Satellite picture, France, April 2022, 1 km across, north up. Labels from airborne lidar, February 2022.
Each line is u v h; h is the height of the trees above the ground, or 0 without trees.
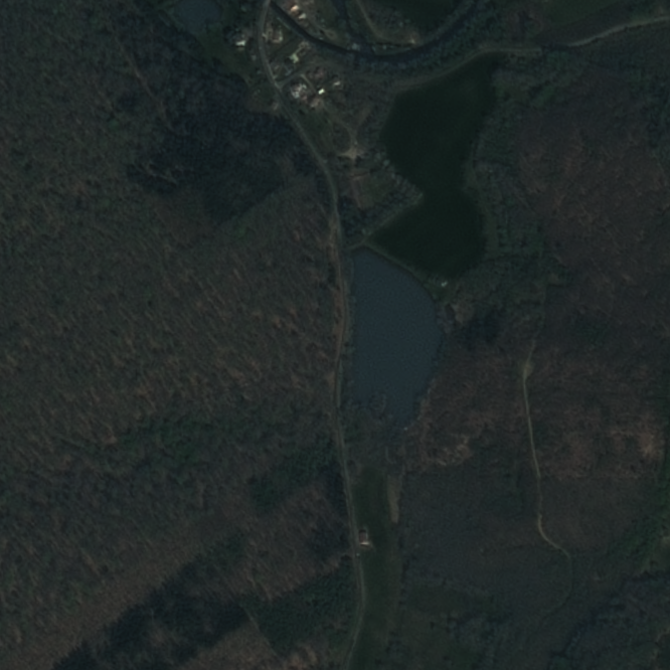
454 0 0
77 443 26
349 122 8
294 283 29
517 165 7
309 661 30
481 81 0
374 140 8
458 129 0
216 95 26
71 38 25
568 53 16
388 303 0
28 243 27
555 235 13
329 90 0
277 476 16
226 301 24
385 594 0
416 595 0
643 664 31
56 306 27
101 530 30
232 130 20
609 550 9
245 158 17
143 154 24
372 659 0
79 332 28
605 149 8
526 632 16
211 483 31
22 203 28
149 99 30
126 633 19
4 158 27
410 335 0
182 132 15
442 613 0
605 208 12
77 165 26
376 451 8
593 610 10
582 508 10
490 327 13
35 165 25
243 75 0
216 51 0
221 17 0
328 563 29
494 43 13
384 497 0
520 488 12
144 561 24
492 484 11
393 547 0
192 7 0
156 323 26
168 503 33
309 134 0
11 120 28
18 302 26
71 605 30
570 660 22
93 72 29
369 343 0
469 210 0
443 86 0
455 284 0
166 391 28
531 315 14
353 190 17
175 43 14
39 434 29
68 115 22
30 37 26
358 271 0
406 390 0
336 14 0
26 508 26
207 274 29
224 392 23
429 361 0
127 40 29
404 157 0
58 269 27
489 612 0
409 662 0
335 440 15
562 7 0
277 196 24
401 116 0
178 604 21
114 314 27
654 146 14
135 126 27
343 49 0
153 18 30
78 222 28
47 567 29
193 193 13
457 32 18
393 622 0
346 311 0
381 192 0
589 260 8
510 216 20
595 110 10
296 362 33
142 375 25
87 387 30
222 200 16
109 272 25
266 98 0
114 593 0
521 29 0
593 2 0
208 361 23
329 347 29
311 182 31
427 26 0
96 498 20
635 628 27
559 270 16
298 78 0
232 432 28
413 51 0
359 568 0
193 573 22
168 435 23
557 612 12
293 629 18
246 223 27
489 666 21
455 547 0
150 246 29
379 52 0
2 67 26
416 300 0
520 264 10
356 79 13
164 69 32
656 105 17
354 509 0
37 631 25
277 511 21
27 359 30
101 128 25
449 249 0
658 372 7
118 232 25
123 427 24
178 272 28
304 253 30
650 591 27
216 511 17
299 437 23
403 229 0
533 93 0
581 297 8
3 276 27
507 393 6
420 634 0
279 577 0
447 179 0
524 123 11
